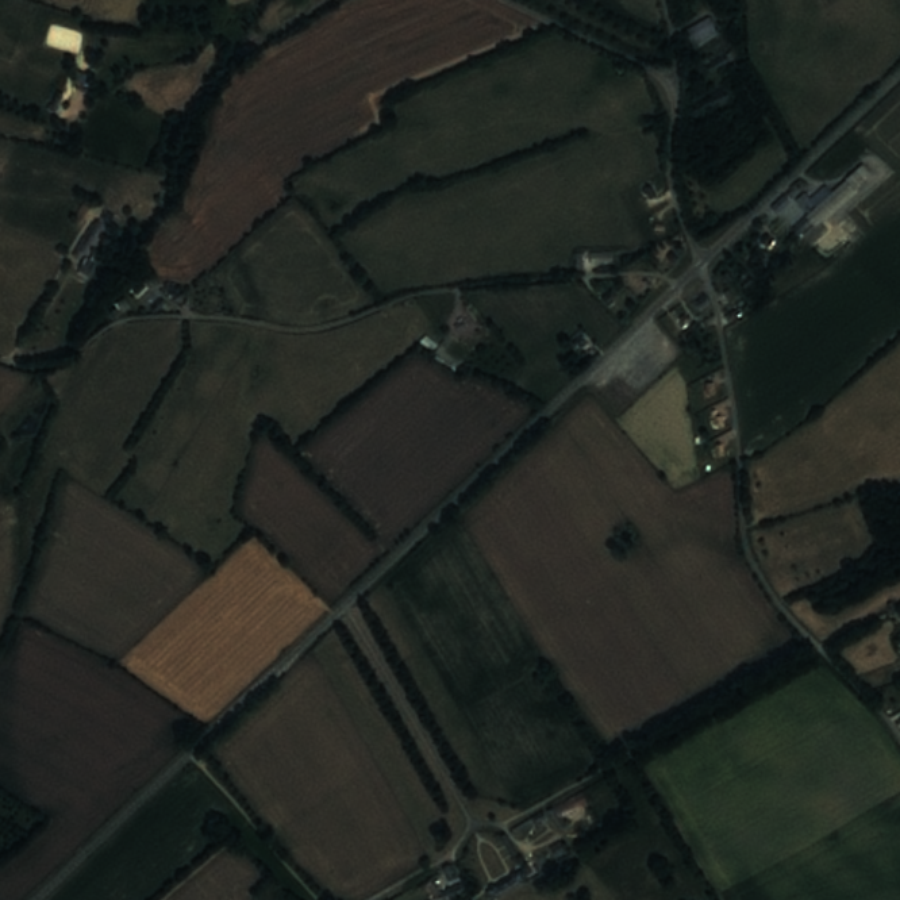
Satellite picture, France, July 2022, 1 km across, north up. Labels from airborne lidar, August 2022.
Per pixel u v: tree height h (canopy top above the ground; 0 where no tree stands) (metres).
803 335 0
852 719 0
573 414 0
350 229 12
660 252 9
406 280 0
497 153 0
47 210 0
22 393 0
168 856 0
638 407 0
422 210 0
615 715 0
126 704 0
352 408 8
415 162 0
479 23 0
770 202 0
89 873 0
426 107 0
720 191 0
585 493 0
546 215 0
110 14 0
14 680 0
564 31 9
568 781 0
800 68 0
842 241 0
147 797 0
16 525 0
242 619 0
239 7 0
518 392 14
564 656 0
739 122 12
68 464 0
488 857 0
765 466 0
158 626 0
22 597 8
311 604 0
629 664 0
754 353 0
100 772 0
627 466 0
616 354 0
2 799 7
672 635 0
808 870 0
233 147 0
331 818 0
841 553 0
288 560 15
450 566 0
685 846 15
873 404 0
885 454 0
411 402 0
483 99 0
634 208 0
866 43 0
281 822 0
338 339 0
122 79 7
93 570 0
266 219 7
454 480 0
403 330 0
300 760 0
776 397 0
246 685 0
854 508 0
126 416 0
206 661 0
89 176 0
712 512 0
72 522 0
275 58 0
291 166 0
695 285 0
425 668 0
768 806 0
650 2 0
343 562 0
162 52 0
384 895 0
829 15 0
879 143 0
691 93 10
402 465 0
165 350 0
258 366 0
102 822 0
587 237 0
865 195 0
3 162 0
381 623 17
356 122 0
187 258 0
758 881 0
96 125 0
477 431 0
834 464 0
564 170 0
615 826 20
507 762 0
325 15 6
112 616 0
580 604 0
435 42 0
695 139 14
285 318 0
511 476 0
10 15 0
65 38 0
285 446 19
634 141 0
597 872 0
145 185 0
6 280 0
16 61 0
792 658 22
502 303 0
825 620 0
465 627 0
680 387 0
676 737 21
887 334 0
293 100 0
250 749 0
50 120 9
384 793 0
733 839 0
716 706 21
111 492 7
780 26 0
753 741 0
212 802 0
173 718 0
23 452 0
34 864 0
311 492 0
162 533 17
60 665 0
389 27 0
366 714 0
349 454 0
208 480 0
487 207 0
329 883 0
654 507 0
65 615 0
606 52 11
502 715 0
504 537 0
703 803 0
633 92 0
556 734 0
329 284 0
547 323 0
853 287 0
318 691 0
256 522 0
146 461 0
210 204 0
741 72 11
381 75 0
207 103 19
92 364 0
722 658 0
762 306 11
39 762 0
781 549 0
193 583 0
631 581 0
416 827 0
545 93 0
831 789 0
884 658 0
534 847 0
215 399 0
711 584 0
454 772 17
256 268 0
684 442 0
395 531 0
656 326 0
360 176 0
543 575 0
